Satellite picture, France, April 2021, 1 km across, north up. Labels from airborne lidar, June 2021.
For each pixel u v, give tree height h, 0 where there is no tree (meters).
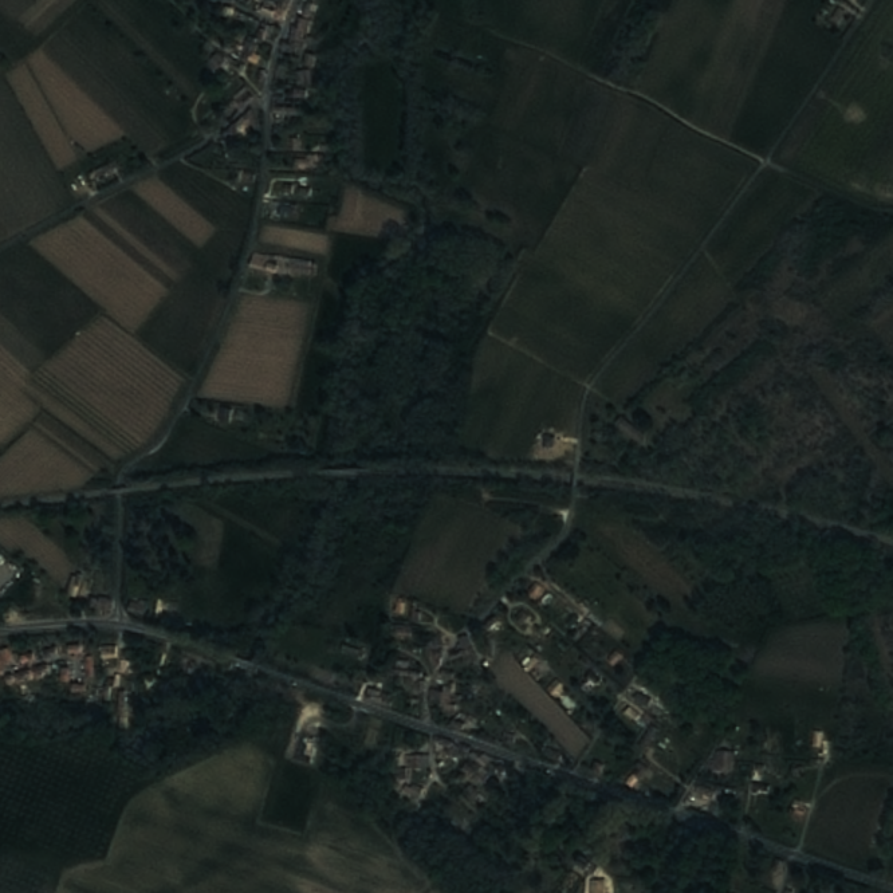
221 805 0
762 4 0
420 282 22
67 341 0
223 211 0
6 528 0
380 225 0
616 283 0
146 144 0
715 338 0
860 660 7
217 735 24
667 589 0
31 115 0
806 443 6
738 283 0
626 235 0
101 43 0
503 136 0
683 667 26
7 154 0
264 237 0
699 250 0
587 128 0
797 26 0
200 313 0
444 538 0
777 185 0
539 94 0
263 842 0
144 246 0
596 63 0
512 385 0
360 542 8
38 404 0
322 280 0
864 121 0
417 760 0
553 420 0
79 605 16
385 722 0
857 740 8
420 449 13
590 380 0
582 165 0
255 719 17
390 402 14
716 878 31
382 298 9
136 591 0
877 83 0
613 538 0
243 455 0
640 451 15
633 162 0
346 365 16
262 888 0
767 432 10
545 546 16
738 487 15
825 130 0
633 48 12
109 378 0
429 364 21
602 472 13
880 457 0
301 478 11
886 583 22
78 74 0
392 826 7
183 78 0
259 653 20
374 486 21
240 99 0
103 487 0
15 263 0
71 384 0
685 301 0
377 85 0
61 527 0
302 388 0
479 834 16
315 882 0
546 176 0
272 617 17
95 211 0
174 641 27
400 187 21
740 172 0
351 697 7
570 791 24
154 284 0
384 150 0
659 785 0
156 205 0
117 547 15
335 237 0
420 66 18
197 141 0
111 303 0
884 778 0
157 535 12
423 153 18
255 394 0
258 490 6
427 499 12
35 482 0
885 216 7
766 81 0
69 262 0
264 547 0
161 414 0
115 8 0
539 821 34
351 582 0
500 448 0
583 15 0
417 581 0
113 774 21
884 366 7
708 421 9
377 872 0
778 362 0
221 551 0
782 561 22
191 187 0
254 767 0
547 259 0
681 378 9
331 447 15
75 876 0
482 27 0
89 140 0
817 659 0
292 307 0
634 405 11
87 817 16
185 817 0
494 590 10
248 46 0
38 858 0
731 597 24
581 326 0
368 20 25
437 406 24
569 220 0
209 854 0
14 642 11
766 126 0
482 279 17
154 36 0
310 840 0
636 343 0
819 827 0
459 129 14
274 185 0
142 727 19
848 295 0
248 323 0
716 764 0
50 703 12
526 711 7
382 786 21
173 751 14
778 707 0
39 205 0
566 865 20
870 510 14
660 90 0
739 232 0
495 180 0
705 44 0
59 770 18
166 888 0
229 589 0
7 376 0
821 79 0
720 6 0
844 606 22
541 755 9
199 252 0
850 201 0
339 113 21
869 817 0
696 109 0
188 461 0
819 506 22
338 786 18
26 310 0
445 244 25
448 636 0
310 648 0
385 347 15
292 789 0
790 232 13
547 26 0
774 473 7
